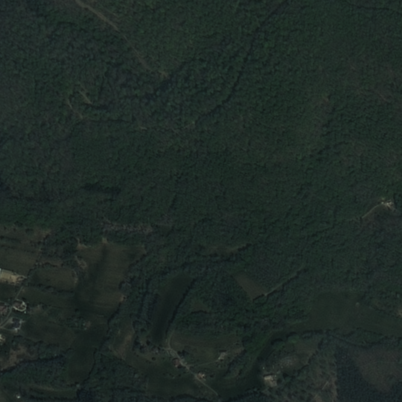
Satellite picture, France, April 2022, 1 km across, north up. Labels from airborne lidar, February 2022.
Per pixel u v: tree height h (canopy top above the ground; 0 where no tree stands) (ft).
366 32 63
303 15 74
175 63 76
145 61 0
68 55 100
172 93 104
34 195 92
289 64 73
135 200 74
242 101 78
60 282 0
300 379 63
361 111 68
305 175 77
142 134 63
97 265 0
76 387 49
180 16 80
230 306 64
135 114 94
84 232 88
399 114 76
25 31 77
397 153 71
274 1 66
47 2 80
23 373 64
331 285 87
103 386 27
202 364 0
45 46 59
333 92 79
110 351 65
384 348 73
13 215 55
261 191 88
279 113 74
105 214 55
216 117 67
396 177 77
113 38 74
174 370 0
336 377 62
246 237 78
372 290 63
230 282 62
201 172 79
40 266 41
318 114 79
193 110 83
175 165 99
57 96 85
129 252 0
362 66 78
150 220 56
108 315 0
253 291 0
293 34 82
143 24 78
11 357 0
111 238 55
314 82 67
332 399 66
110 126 61
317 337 75
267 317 25
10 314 0
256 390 23
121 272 0
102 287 0
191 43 78
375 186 59
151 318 81
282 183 74
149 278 57
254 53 56
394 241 72
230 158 75
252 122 76
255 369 0
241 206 75
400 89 72
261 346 45
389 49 69
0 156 91
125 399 64
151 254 58
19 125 101
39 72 74
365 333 28
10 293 0
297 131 65
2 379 63
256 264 53
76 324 28
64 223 62
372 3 69
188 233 72
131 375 38
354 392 55
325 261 96
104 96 90
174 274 74
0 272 0
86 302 0
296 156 91
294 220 69
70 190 77
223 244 87
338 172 79
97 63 75
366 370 68
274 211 65
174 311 0
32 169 73
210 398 22
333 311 0
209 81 92
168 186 102
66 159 88
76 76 88
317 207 37
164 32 79
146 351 51
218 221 73
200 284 54
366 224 37
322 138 75
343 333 0
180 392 0
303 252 51
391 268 58
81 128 64
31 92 79
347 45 47
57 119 85
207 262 58
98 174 61
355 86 74
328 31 75
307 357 0
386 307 36
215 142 73
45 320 0
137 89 90
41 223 85
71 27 63
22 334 0
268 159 81
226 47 106
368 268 109
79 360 0
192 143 100
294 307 50
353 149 85
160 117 88
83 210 78
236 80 46
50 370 67
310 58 66
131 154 89
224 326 65
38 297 0
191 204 91
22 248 0
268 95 51
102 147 74
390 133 66
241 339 50
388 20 66
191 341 0
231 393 0
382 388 75
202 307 0
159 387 0
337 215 74
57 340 0
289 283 42
